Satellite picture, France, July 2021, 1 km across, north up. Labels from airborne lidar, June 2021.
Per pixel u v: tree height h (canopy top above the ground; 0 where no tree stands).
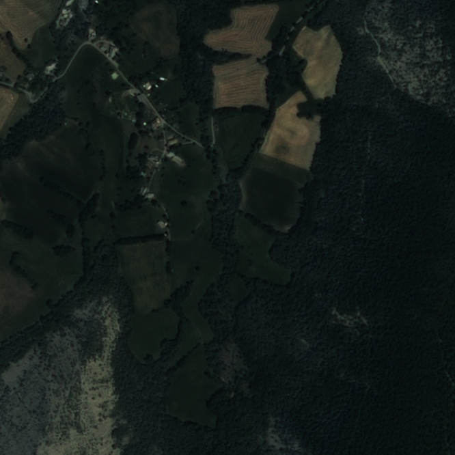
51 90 8
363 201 8
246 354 17
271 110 12
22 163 0
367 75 10
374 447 22
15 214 0
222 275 10
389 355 20
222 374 6
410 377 21
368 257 14
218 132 0
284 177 0
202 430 18
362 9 10
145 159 15
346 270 11
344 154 10
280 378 19
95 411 0
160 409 14
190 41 22
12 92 0
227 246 16
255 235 0
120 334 7
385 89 8
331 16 16
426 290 16
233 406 26
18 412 0
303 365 11
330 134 20
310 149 0
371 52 6
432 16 5
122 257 0
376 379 16
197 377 0
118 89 0
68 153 0
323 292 10
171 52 0
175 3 9
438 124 17
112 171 0
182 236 0
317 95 0
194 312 0
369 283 15
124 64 0
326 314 9
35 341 9
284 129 0
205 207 0
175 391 0
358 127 11
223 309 18
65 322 8
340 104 20
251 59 0
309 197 18
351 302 12
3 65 0
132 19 0
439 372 19
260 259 0
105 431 0
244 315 16
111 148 0
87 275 22
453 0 16
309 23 11
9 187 0
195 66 18
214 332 9
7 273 0
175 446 20
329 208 13
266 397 20
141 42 0
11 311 0
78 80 0
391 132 9
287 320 17
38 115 15
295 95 0
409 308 18
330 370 17
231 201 11
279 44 15
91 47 0
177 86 0
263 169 0
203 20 15
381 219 15
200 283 0
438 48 6
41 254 0
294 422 12
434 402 14
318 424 9
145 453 10
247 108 15
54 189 9
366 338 8
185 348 0
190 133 0
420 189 17
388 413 20
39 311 0
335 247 12
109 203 0
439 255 14
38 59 0
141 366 11
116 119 0
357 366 15
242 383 7
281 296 24
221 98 0
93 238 0
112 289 9
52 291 0
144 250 0
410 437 16
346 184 7
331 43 0
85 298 7
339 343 17
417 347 21
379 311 15
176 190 0
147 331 0
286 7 0
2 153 15
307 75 0
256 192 0
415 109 9
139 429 10
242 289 0
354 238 8
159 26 0
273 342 19
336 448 18
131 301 12
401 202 18
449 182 23
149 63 0
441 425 20
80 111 0
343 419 12
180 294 21
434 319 12
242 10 0
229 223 11
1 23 0
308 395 17
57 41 10
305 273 15
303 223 22
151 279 0
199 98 16
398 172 9
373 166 8
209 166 0
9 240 0
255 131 0
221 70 0
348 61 13
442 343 11
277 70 18
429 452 22
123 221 0
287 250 19
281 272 0
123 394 8
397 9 6
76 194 0
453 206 15
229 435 23
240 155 0
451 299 8
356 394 16
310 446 12
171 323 0
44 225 0
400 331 20
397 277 18
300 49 0
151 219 0
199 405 0
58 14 6
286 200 0
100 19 6
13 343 12
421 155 14
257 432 17
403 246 15
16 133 15
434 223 19
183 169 0
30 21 0
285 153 0
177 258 0
